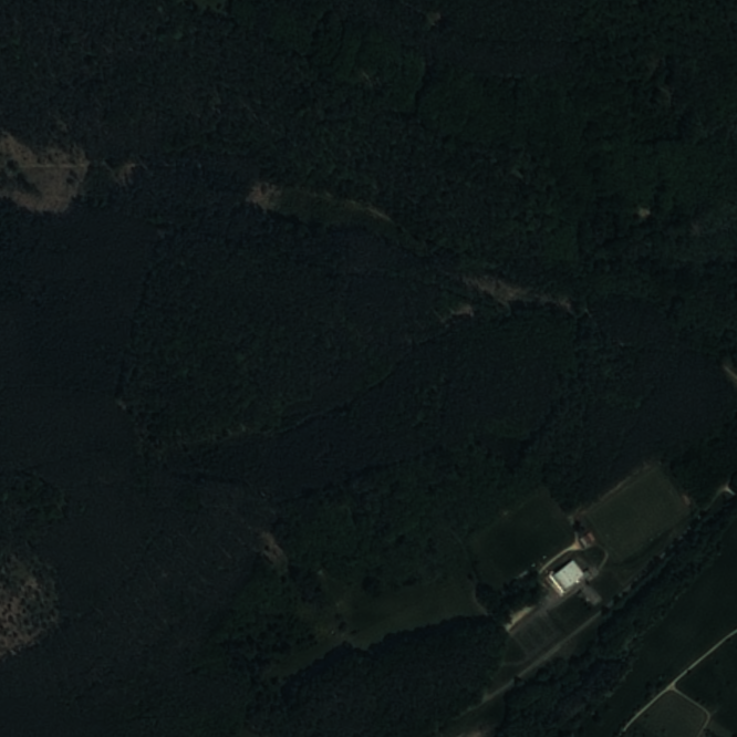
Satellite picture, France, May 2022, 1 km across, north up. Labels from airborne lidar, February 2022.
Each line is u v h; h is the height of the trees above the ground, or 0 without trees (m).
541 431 27
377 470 22
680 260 17
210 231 16
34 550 16
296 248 22
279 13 20
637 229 22
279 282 27
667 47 22
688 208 19
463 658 27
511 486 18
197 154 23
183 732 19
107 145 21
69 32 21
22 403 18
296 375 22
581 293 21
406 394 13
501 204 29
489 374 13
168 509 16
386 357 22
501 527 0
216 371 25
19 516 22
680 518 0
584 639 0
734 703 0
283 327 26
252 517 20
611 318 18
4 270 21
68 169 0
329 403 18
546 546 0
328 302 28
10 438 16
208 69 21
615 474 19
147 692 20
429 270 23
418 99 22
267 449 6
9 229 17
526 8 21
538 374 17
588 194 24
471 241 24
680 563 23
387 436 14
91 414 18
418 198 28
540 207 30
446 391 10
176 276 28
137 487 19
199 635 21
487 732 0
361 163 24
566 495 24
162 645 20
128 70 27
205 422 30
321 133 32
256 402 30
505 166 26
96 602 18
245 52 28
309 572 24
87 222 18
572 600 0
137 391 23
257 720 27
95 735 17
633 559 0
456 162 28
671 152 24
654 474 0
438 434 13
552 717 24
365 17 20
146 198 23
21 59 21
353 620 0
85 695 18
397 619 0
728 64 25
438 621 0
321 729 22
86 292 17
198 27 26
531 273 20
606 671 26
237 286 29
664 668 0
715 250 25
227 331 24
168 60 25
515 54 24
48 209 0
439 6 18
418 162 29
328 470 8
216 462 5
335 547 25
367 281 21
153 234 16
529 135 29
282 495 9
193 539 20
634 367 17
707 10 21
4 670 17
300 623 7
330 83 29
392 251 23
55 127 22
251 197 0
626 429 17
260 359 24
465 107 20
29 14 21
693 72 27
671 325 20
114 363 15
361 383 17
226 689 17
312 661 0
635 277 23
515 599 21
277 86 27
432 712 28
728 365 0
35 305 18
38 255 19
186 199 23
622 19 20
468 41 21
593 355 27
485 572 0
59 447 18
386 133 27
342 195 33
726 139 20
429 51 19
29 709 15
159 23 21
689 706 0
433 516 24
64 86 22
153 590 18
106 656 18
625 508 0
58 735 16
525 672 0
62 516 17
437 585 0
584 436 21
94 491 21
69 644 20
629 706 0
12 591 24
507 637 14
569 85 23
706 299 21
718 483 13
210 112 21
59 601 13
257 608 24
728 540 0
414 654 25
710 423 19
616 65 25
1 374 22
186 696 19
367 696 22
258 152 29
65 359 17
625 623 21
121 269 18
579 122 26
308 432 8
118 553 19
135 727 19
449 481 22
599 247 28
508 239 29
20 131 23
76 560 18
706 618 0
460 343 16
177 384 21
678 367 21
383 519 22
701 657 0
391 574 22
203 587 19
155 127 19
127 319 18
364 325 22
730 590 0
